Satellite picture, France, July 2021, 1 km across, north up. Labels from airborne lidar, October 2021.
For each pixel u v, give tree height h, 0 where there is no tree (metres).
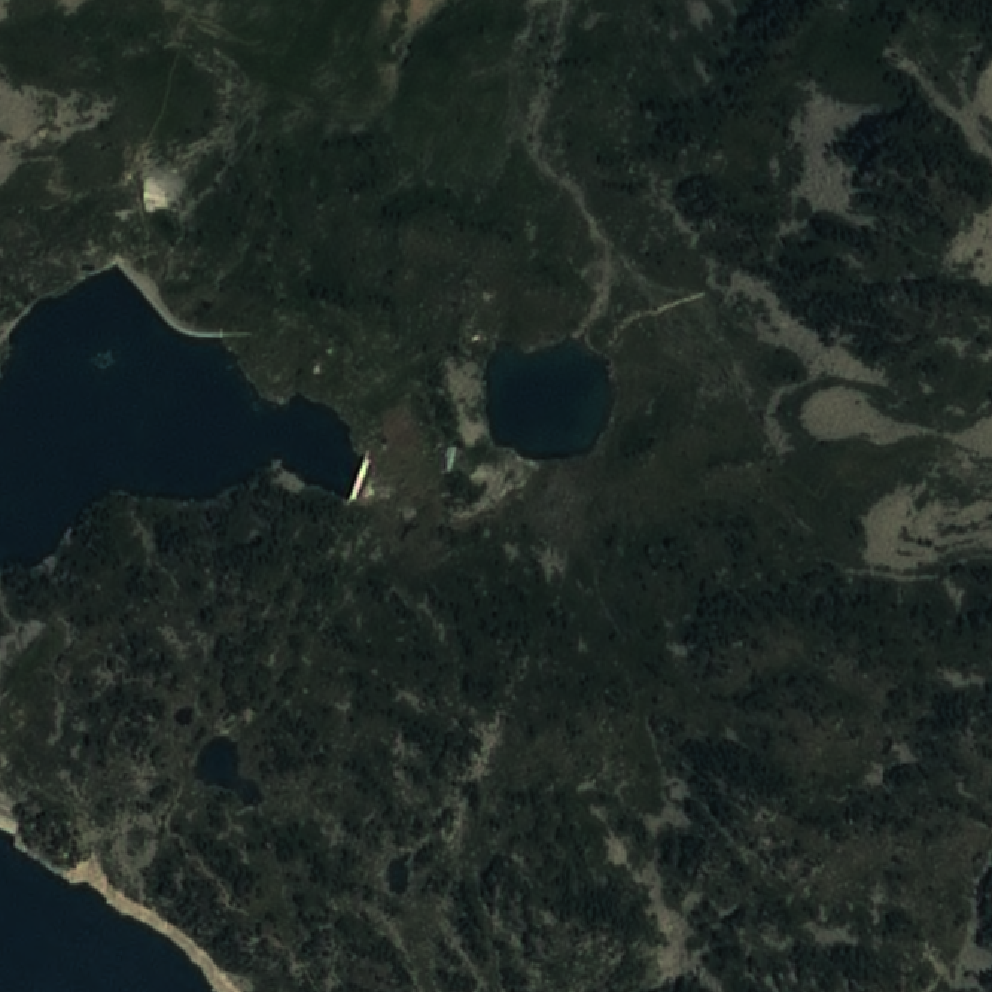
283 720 7
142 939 0
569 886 9
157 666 6
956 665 0
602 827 0
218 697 0
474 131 0
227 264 0
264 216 0
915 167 7
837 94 0
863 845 0
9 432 0
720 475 0
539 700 0
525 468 0
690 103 8
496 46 0
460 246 0
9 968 0
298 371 0
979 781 0
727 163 0
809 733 0
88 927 0
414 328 0
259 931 6
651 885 0
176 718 0
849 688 0
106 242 0
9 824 0
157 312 0
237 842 0
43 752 0
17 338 0
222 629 0
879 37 0
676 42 0
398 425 0
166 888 9
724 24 0
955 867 0
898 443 0
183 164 0
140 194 0
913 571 0
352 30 0
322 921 7
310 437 0
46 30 0
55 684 0
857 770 0
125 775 0
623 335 0
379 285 0
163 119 0
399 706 0
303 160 0
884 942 0
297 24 0
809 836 0
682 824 0
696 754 7
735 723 0
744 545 9
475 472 0
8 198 0
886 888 0
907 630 0
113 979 0
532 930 7
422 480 0
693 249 0
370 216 0
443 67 0
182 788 0
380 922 0
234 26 0
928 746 6
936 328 0
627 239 0
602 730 0
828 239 7
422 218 0
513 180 0
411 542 0
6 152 0
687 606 0
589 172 0
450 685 0
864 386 0
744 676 0
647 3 0
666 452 0
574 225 0
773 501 0
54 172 0
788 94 0
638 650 0
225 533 8
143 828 0
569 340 0
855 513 0
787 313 0
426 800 0
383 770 0
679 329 0
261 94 0
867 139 7
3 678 0
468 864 0
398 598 8
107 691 0
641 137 0
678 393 0
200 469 0
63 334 0
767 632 0
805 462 0
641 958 7
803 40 0
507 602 6
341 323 0
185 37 0
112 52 0
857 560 0
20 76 0
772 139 0
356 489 0
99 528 7
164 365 0
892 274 0
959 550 0
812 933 0
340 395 0
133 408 0
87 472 0
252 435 0
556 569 0
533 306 0
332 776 0
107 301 0
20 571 7
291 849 8
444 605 6
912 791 0
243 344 0
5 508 0
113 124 0
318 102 0
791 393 0
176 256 0
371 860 0
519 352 0
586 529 0
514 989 8
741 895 0
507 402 0
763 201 0
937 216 8
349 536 0
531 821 0
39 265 0
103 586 0
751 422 0
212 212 0
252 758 0
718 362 0
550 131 0
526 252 0
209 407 0
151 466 0
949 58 0
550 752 0
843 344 0
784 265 6
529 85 0
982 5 7
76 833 6
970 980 0
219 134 0
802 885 0
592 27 0
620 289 0
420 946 0
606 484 0
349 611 0
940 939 0
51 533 0
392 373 0
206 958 0
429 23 0
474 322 0
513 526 0
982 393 0
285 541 6
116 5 0
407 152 0
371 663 0
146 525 0
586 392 0
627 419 0
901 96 7
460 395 0
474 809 7
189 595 0
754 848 7
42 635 0
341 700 0
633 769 0
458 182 0
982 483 0
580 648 0
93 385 0
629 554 0
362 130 0
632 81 0
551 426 0
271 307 0
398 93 0
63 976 0
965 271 0
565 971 0
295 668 9
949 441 0
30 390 0
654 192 0
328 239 0
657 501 0
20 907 0
